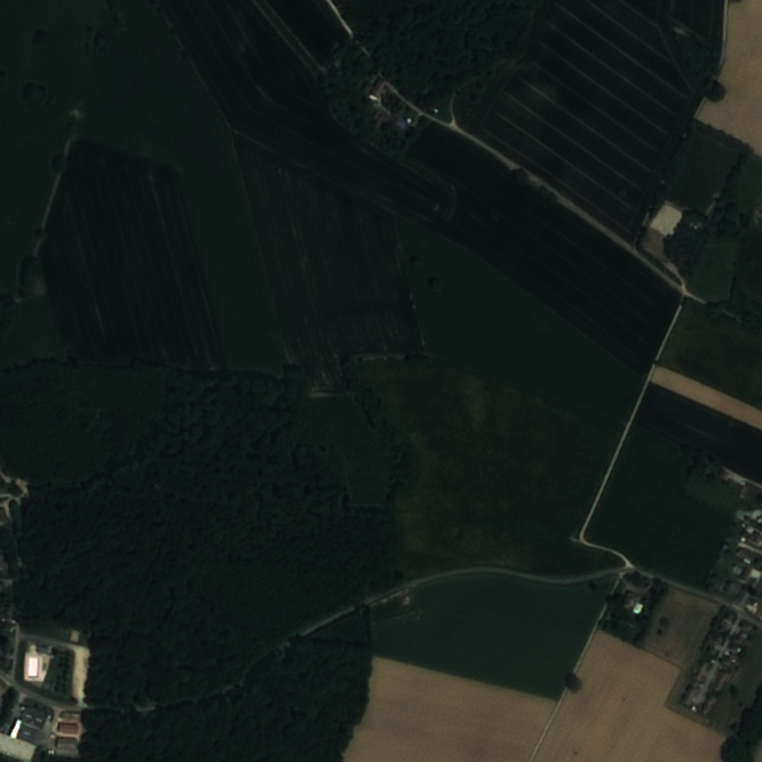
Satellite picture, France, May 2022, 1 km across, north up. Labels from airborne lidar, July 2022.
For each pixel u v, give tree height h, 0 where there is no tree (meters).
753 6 0
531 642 0
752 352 0
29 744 0
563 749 0
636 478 0
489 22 24
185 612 32
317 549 26
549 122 0
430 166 0
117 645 24
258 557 24
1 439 7
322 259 0
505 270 0
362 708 21
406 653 0
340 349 0
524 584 0
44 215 0
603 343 0
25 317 0
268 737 26
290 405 31
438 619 0
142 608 20
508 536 0
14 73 0
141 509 23
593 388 0
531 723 0
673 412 0
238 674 25
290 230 0
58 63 0
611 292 0
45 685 0
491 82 0
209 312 0
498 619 0
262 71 0
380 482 0
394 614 0
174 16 0
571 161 0
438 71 24
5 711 10
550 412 0
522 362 0
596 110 0
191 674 32
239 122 0
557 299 0
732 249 0
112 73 0
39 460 7
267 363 0
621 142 0
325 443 0
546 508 0
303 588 11
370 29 11
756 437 0
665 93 0
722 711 0
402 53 22
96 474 6
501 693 0
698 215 17
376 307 0
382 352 0
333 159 0
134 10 0
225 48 0
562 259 0
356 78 16
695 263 19
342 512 21
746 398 0
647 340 0
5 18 0
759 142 0
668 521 0
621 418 0
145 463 21
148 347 0
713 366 0
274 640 11
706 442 0
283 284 0
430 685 0
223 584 11
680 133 0
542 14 0
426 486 0
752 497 0
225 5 0
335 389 0
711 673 0
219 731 30
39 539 24
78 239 0
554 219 0
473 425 0
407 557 0
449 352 0
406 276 0
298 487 26
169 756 24
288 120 0
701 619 0
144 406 6
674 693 0
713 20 0
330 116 0
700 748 0
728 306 9
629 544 0
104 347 0
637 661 0
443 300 0
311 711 30
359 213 0
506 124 0
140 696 21
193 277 0
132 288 0
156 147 0
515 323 0
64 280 0
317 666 28
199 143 0
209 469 24
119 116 0
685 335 0
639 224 0
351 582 10
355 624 12
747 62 0
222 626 11
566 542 0
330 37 0
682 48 11
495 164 0
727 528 0
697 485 0
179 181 0
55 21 0
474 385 0
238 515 26
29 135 0
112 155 0
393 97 16
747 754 17
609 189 0
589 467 0
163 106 0
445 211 0
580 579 0
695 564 0
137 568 32
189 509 24
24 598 21
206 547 23
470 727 0
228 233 0
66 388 7
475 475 0
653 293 0
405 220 0
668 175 18
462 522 0
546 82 0
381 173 0
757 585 0
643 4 0
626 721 0
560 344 0
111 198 0
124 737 27
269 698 28
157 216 0
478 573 0
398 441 14
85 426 11
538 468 0
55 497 20
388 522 21
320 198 0
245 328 0
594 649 0
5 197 0
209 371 0
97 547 24
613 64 0
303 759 28
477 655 0
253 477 28
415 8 9
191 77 0
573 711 0
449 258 0
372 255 0
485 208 0
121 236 0
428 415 0
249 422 30
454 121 0
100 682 24
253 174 0
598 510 0
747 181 0
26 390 9
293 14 0
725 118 0
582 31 0
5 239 0
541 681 0
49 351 0
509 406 0
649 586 8
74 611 26
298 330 0
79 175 0
